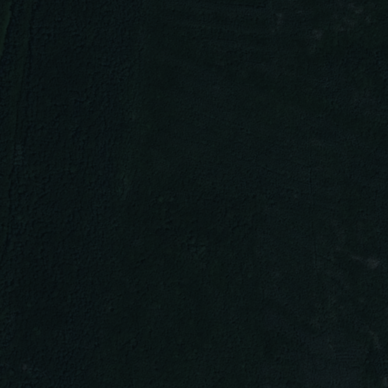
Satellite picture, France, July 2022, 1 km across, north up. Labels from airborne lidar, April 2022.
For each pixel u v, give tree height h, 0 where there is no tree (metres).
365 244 14
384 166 23
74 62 29
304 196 15
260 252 16
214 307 15
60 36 29
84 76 22
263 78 12
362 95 15
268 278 9
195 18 16
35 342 23
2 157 18
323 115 18
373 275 15
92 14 22
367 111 20
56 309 20
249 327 12
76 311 12
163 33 16
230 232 18
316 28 20
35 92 26
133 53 17
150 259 19
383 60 30
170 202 25
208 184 16
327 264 10
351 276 13
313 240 15
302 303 14
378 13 8
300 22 21
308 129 17
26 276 25
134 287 25
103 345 22
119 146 18
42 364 25
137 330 14
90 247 19
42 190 18
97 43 20
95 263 16
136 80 11
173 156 13
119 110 17
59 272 11
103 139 13
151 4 8
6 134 20
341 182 13
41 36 28
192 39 15
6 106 21
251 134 14
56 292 28
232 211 18
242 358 15
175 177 17
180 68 12
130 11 20
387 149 19
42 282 19
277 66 11
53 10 31
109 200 20
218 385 18
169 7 11
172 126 13
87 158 23
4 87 21
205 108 15
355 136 14
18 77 20
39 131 26
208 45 16
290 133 17
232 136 10
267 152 19
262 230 16
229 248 17
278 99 9
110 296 20
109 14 18
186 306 20
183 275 18
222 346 17
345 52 24
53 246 25
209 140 16
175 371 21
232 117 13
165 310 18
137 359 17
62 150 28
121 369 9
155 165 13
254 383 14
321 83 20
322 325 11
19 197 19
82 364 21
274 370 16
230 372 13
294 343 16
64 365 19
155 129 9
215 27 21
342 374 14
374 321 12
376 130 17
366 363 14
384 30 17
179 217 24
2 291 20
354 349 13
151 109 8
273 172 23
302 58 11
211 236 31
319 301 11
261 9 20
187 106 15
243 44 18
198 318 21
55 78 27
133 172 8
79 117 30
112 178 21
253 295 16
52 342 22
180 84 14
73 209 22
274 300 12
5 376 28
